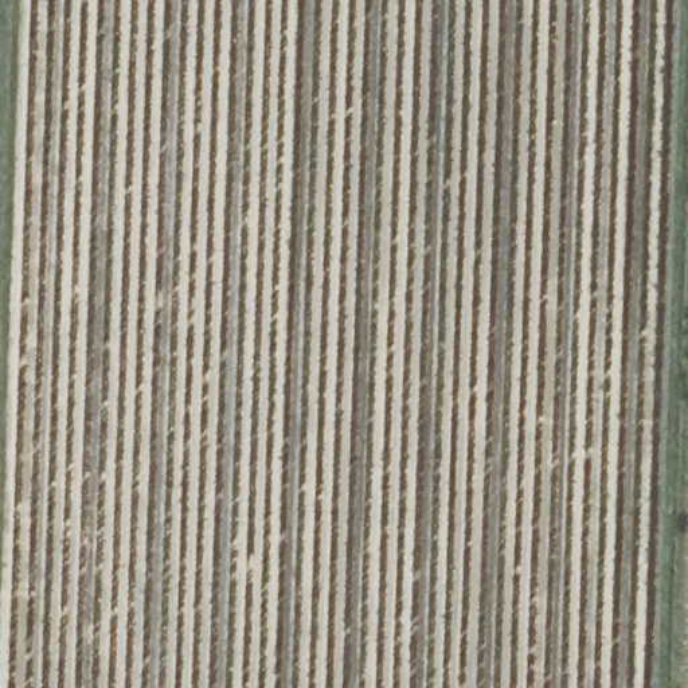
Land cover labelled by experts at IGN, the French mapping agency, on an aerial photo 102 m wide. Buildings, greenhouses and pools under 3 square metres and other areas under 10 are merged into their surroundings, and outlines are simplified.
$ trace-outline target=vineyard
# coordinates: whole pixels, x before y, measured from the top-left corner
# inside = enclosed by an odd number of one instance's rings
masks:
[[[688,0],[0,0],[0,688],[688,688]]]

